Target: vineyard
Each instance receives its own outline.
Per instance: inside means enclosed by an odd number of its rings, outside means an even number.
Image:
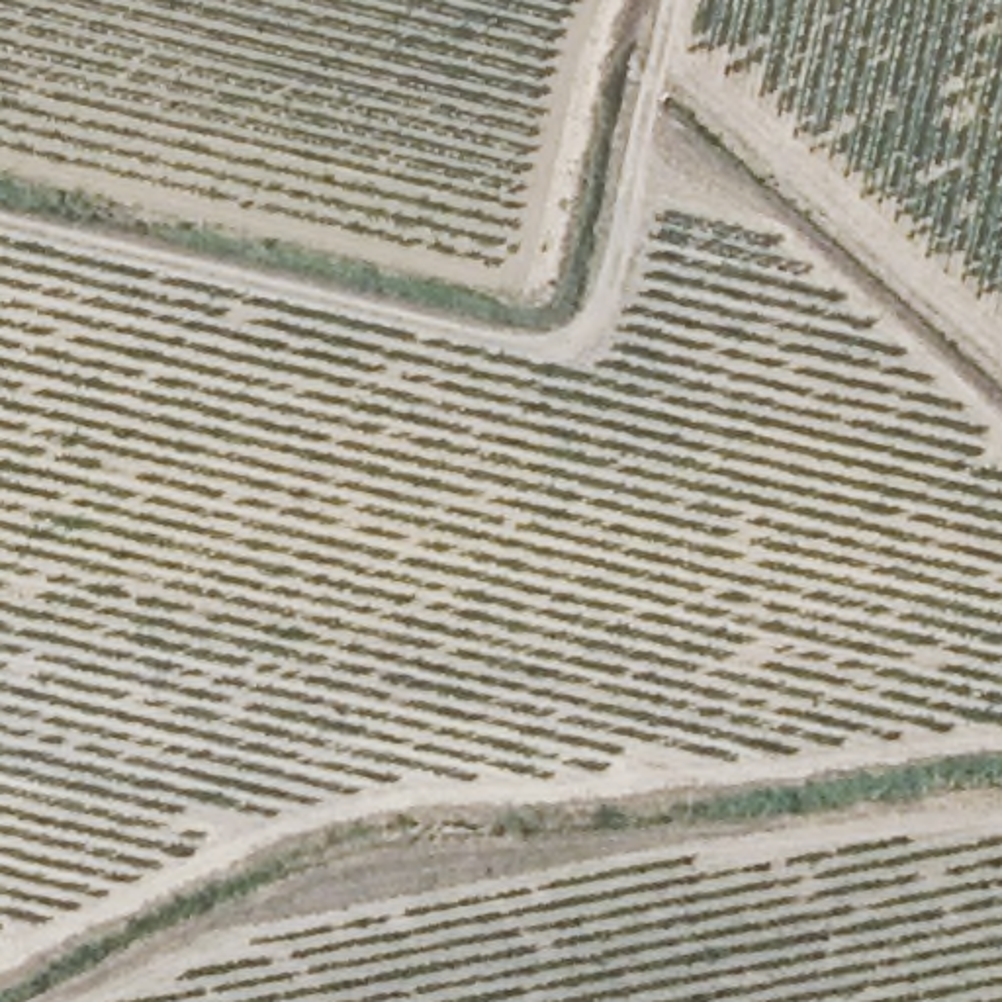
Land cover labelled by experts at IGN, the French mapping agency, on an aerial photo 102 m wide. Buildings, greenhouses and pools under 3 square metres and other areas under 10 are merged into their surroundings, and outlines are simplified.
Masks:
[[[896,744],[900,732],[881,732],[877,720],[916,724],[939,736],[963,728],[967,720],[1002,728],[1002,470],[986,462],[982,446],[967,446],[967,434],[986,434],[986,427],[967,419],[963,399],[900,391],[900,380],[928,384],[932,372],[908,368],[900,344],[877,341],[873,317],[826,309],[826,301],[842,301],[842,290],[810,286],[806,262],[779,254],[779,235],[708,215],[658,215],[654,239],[661,239],[661,251],[650,251],[646,290],[634,305],[622,305],[618,341],[611,356],[595,360],[587,372],[513,352],[493,352],[481,344],[415,337],[411,329],[380,321],[309,309],[278,297],[254,297],[196,278],[168,278],[141,266],[0,235],[0,896],[78,912],[90,900],[106,900],[106,892],[74,885],[70,873],[102,877],[114,885],[137,885],[149,869],[164,869],[176,857],[192,857],[200,849],[204,830],[184,830],[180,842],[133,838],[129,826],[160,830],[153,818],[114,814],[106,806],[94,806],[94,798],[133,802],[160,814],[184,814],[196,802],[207,802],[251,818],[278,818],[278,810],[235,802],[235,791],[282,798],[294,806],[317,806],[333,795],[352,798],[372,791],[376,783],[399,783],[403,771],[478,783],[478,767],[497,767],[544,783],[552,779],[552,771],[540,763],[575,767],[591,775],[611,771],[615,755],[622,755],[630,740],[736,763],[748,752],[802,755],[814,744],[842,748],[853,732]]]
[[[845,810],[783,814],[759,822],[697,822],[575,838],[517,838],[513,849],[485,853],[438,853],[434,842],[387,849],[380,842],[376,849],[333,857],[325,869],[290,873],[282,881],[258,885],[247,896],[223,900],[204,916],[153,932],[133,947],[86,967],[82,975],[63,979],[31,1002],[1002,1002],[1002,791],[971,787],[951,795],[924,795],[900,806],[853,802]]]
[[[795,133],[806,137],[810,153],[845,157],[845,176],[861,176],[865,200],[896,200],[896,215],[912,219],[908,239],[928,239],[928,254],[963,254],[963,278],[975,278],[979,297],[1002,290],[1002,0],[701,0],[689,35],[693,55],[724,47],[724,74],[763,67],[763,94],[779,102],[779,114],[795,114]]]
[[[211,227],[223,239],[282,239],[305,251],[364,258],[384,274],[423,274],[474,286],[505,305],[544,305],[556,294],[552,282],[544,282],[540,290],[528,286],[528,270],[540,254],[548,254],[552,235],[544,227],[544,207],[524,207],[524,176],[532,172],[532,153],[540,149],[540,117],[548,114],[544,94],[548,78],[556,74],[564,20],[571,20],[579,0],[0,0],[0,172],[67,192],[110,196],[125,204],[133,219],[145,223],[188,219]]]

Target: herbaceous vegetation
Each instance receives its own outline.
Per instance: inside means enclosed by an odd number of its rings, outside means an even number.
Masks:
[[[701,141],[728,176],[755,188],[755,196],[779,219],[787,219],[838,270],[865,286],[865,294],[888,305],[904,329],[924,337],[943,360],[955,364],[963,380],[971,380],[994,407],[1002,407],[1002,380],[986,372],[928,313],[920,313],[888,278],[865,266],[845,239],[838,239],[826,223],[818,223],[810,207],[802,207],[795,196],[779,188],[771,172],[748,164],[720,133],[712,133],[693,106],[685,106],[685,90],[677,82],[665,86],[661,110],[677,117],[685,133]]]

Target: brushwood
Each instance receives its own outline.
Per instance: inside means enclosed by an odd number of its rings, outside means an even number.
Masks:
[[[423,274],[384,274],[364,258],[305,251],[282,239],[223,239],[211,227],[188,219],[145,223],[133,219],[125,204],[110,196],[67,192],[0,172],[0,211],[121,235],[149,247],[219,258],[262,274],[286,274],[380,301],[403,301],[411,309],[462,317],[474,325],[552,333],[568,325],[587,301],[591,262],[599,243],[607,239],[607,188],[622,172],[622,153],[630,137],[630,106],[622,98],[626,90],[634,94],[642,82],[661,0],[626,0],[615,20],[603,90],[591,110],[591,141],[579,168],[575,215],[568,223],[560,274],[552,282],[556,294],[544,305],[505,305],[474,286]]]

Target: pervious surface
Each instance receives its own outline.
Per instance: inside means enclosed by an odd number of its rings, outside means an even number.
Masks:
[[[971,380],[963,380],[955,364],[943,360],[924,337],[904,329],[888,305],[865,294],[865,286],[838,270],[787,219],[779,219],[755,196],[755,188],[728,176],[716,188],[708,188],[689,180],[654,153],[654,125],[661,110],[665,86],[677,82],[689,70],[693,55],[689,35],[701,0],[661,0],[642,82],[634,94],[626,90],[622,98],[630,106],[630,137],[622,153],[622,172],[607,188],[607,239],[599,243],[591,262],[587,301],[568,325],[552,333],[474,325],[462,317],[411,309],[403,301],[380,301],[286,274],[262,274],[219,258],[149,247],[121,235],[0,211],[0,235],[141,266],[168,278],[196,278],[254,297],[278,297],[309,309],[380,321],[411,329],[415,337],[481,344],[493,352],[513,352],[587,372],[595,360],[611,356],[618,341],[622,305],[634,305],[646,290],[650,251],[661,251],[661,239],[654,239],[658,215],[708,215],[779,235],[779,254],[806,262],[810,286],[842,290],[842,301],[826,301],[826,309],[873,317],[877,341],[900,344],[908,368],[932,372],[928,384],[900,380],[900,391],[963,399],[967,419],[986,427],[986,434],[967,434],[967,446],[982,446],[986,462],[1002,470],[1002,407],[994,407]]]

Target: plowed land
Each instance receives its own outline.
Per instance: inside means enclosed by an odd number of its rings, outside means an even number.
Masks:
[[[689,70],[677,82],[685,90],[685,106],[693,106],[712,133],[720,133],[748,164],[771,172],[779,188],[795,196],[802,207],[810,207],[818,223],[826,223],[838,239],[845,239],[865,266],[888,278],[920,313],[928,313],[986,372],[1002,380],[1002,290],[979,297],[975,278],[963,278],[963,254],[928,254],[928,239],[908,239],[912,219],[896,215],[896,200],[865,200],[861,176],[845,176],[845,157],[810,153],[806,137],[795,133],[795,114],[779,114],[779,102],[763,94],[763,67],[724,74],[724,47],[693,55]]]
[[[943,755],[1002,752],[1002,728],[967,720],[963,728],[939,736],[916,724],[877,720],[881,732],[900,732],[896,744],[853,732],[842,748],[814,744],[802,755],[748,752],[736,763],[630,740],[622,755],[615,755],[611,771],[591,775],[575,767],[540,763],[552,771],[552,779],[544,783],[497,767],[478,767],[478,783],[403,771],[399,783],[376,783],[372,791],[352,798],[333,795],[317,806],[294,806],[282,798],[235,791],[235,802],[278,810],[278,818],[251,818],[207,802],[196,802],[184,814],[160,814],[133,802],[94,798],[94,806],[106,806],[114,814],[153,818],[160,830],[129,826],[133,838],[180,842],[184,830],[204,830],[200,849],[192,857],[176,857],[164,869],[149,869],[137,885],[114,885],[102,877],[70,873],[74,885],[106,892],[106,900],[90,900],[78,912],[0,896],[0,975],[27,967],[39,955],[59,959],[78,943],[94,943],[125,928],[129,916],[164,904],[176,892],[192,892],[204,881],[243,873],[243,861],[254,849],[266,849],[290,834],[325,830],[333,822],[399,814],[411,806],[438,802],[532,806],[568,798],[615,798],[626,810],[658,814],[669,802],[712,798],[720,787],[795,787],[826,771],[885,771]]]
[[[540,149],[532,153],[532,172],[524,176],[524,207],[544,207],[544,227],[552,235],[548,254],[540,254],[528,270],[528,286],[540,290],[544,282],[552,282],[560,274],[568,223],[575,215],[579,168],[591,141],[591,110],[603,90],[615,20],[626,0],[579,0],[571,20],[564,20],[556,74],[548,78],[544,94],[548,114],[540,117]]]
[[[708,188],[716,188],[728,176],[701,141],[685,133],[677,117],[661,110],[654,125],[654,153],[689,180]]]

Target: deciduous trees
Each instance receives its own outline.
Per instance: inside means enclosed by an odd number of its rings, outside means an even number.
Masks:
[[[380,842],[387,849],[434,842],[438,853],[485,853],[513,849],[517,838],[575,838],[697,822],[759,822],[783,814],[845,810],[853,802],[900,806],[924,795],[951,795],[971,787],[1002,791],[1002,752],[943,755],[885,771],[826,771],[795,787],[720,787],[712,798],[669,802],[658,814],[626,810],[615,798],[568,798],[532,806],[438,802],[411,806],[399,814],[333,822],[325,830],[290,834],[266,849],[254,849],[243,861],[243,873],[204,881],[192,892],[176,892],[164,904],[129,916],[125,928],[94,943],[78,943],[59,959],[39,955],[27,967],[0,975],[0,1002],[31,1002],[63,979],[82,975],[86,967],[133,947],[153,932],[204,916],[223,900],[247,896],[258,885],[282,881],[290,873],[325,869],[333,857],[376,849]]]

